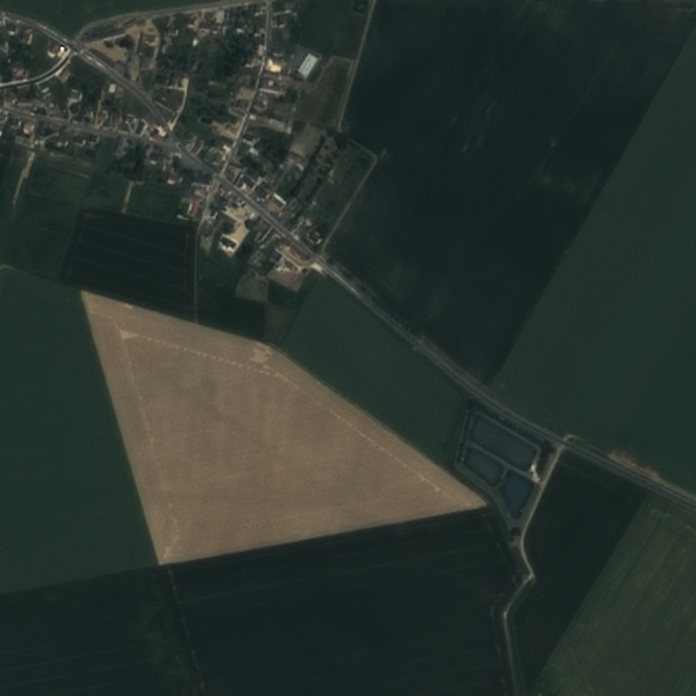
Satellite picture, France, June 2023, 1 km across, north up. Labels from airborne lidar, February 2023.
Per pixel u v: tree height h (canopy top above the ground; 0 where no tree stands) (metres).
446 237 0
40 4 0
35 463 0
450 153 0
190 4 0
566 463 0
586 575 0
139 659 0
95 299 0
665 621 0
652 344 0
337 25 0
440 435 0
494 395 0
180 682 0
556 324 0
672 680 0
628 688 0
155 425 0
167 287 0
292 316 0
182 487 0
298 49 0
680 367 0
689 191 0
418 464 0
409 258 0
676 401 0
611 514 0
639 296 0
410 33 0
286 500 0
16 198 0
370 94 0
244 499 0
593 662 0
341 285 0
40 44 0
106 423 0
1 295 0
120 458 0
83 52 0
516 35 0
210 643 0
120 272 0
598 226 0
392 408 0
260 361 0
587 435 0
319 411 0
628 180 0
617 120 0
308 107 0
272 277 0
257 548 0
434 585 0
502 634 0
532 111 0
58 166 0
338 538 0
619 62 0
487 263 0
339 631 0
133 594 0
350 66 0
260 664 0
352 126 0
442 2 0
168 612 0
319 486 0
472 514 0
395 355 0
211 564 0
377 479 0
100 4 0
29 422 0
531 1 0
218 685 0
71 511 0
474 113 0
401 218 0
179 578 0
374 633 0
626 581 0
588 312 0
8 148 0
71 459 0
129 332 0
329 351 0
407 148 0
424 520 0
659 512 0
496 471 0
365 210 0
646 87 0
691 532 0
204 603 0
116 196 0
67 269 0
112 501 0
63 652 0
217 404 0
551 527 0
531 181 0
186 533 0
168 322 0
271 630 0
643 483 0
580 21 0
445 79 0
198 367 0
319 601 0
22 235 0
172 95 0
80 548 0
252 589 0
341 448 0
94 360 0
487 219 0
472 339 0
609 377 0
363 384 0
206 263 0
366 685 0
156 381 0
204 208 0
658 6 0
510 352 0
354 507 0
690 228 0
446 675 0
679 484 0
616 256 0
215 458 0
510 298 0
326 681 0
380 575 0
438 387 0
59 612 0
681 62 0
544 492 0
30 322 0
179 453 0
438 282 0
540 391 0
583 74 0
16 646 0
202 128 0
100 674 0
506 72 0
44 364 0
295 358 0
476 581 0
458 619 0
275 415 0
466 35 0
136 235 0
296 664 0
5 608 0
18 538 0
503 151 0
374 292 0
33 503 0
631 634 0
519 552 0
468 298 0
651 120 0
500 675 0
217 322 0
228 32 11
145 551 0
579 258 0
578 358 0
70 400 0
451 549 0
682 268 0
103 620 0
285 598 0
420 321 0
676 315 0
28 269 0
